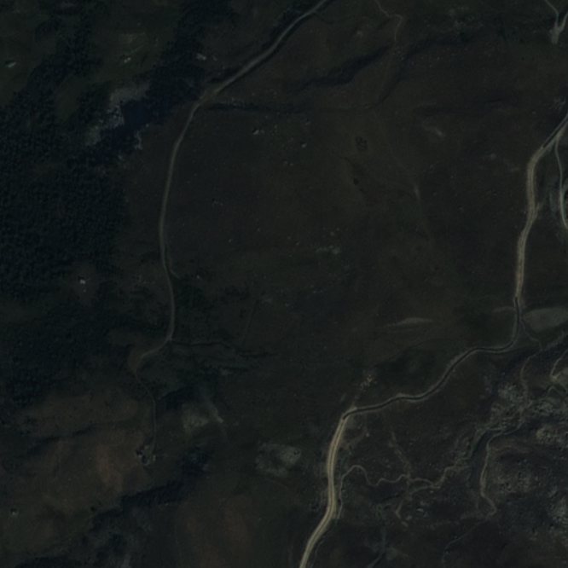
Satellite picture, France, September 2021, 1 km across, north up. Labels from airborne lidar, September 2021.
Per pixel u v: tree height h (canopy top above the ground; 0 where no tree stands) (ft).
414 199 0
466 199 0
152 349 0
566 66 0
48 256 24
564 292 0
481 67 0
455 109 0
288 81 0
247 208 0
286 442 0
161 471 0
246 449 0
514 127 0
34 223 23
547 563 0
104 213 19
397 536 0
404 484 0
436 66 0
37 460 0
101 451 0
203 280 0
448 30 0
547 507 0
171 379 0
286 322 0
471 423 0
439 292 0
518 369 0
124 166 0
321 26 0
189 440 0
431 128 0
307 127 0
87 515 0
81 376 0
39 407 0
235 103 0
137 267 0
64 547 0
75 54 23
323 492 0
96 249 20
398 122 0
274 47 0
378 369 0
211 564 0
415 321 0
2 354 0
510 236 0
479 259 0
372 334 0
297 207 0
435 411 0
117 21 0
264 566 0
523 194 0
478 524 0
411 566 0
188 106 0
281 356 0
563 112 0
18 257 20
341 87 0
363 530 0
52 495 0
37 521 0
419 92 0
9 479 0
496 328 0
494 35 0
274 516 0
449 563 0
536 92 0
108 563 0
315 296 0
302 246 0
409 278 0
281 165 0
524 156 0
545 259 0
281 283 0
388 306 0
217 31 0
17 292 21
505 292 0
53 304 0
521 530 0
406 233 0
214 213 0
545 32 0
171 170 0
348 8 0
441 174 0
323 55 0
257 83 0
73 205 19
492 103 0
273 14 0
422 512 0
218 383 0
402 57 0
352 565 0
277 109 0
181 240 0
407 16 0
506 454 0
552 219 0
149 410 0
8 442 0
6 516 0
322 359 0
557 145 0
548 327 0
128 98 0
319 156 0
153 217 0
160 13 0
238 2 0
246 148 0
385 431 0
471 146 0
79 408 0
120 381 0
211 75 0
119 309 0
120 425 0
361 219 0
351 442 0
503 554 0
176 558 0
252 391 0
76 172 26
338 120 0
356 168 0
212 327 0
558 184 0
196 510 0
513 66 0
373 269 0
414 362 0
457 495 0
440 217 0
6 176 18
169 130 0
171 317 0
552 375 0
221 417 0
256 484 0
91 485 0
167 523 0
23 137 19
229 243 0
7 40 0
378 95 0
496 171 0
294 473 0
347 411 0
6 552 0
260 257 0
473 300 0
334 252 0
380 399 0
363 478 0
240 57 0
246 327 0
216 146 0
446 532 0
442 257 0
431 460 0
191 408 0
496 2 0
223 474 0
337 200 0
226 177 0
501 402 0
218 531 0
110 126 0
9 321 0
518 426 0
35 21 0
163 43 0
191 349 0
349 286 0
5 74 0
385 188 0
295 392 0
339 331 0
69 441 0
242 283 0
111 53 0
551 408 0
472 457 0
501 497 0
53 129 25
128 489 0
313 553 0
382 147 0
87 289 0
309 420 0
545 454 0
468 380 0
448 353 0
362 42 0
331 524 0
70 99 0
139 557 0
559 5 0
